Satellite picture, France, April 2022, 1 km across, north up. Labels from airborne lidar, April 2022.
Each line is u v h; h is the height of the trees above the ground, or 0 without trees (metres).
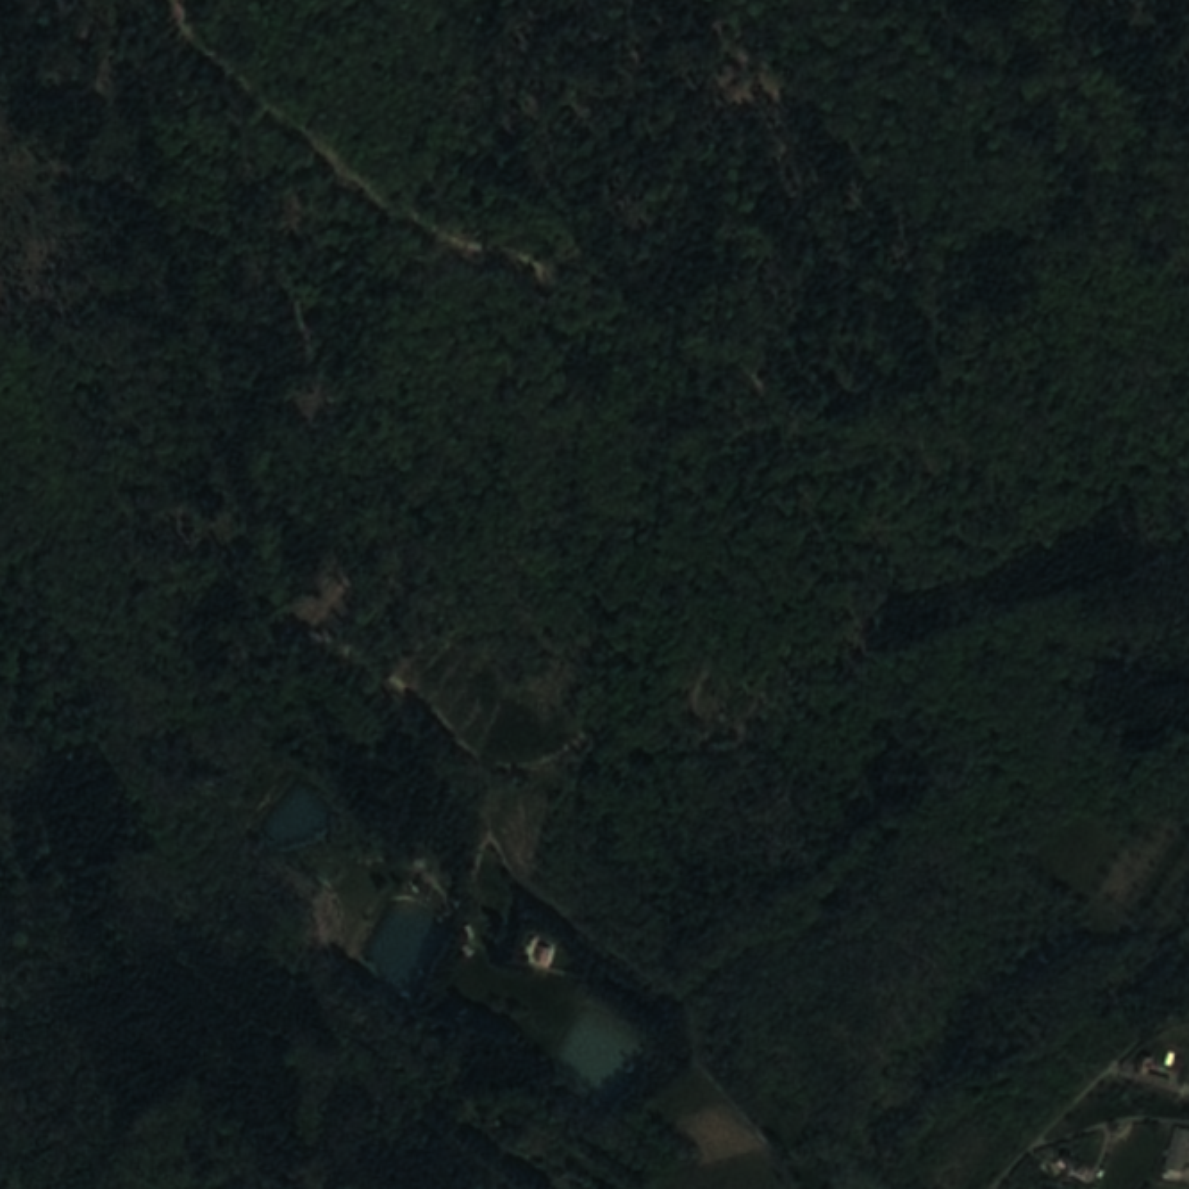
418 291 22
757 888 21
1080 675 21
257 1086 27
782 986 26
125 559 23
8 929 25
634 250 23
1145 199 27
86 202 28
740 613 24
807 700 28
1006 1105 21
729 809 21
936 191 32
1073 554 24
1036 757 22
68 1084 20
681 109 24
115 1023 23
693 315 24
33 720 20
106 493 27
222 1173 25
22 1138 27
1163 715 15
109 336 32
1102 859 0
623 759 23
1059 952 24
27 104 25
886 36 28
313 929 27
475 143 26
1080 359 28
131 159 24
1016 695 22
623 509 27
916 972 28
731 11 26
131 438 33
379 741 20
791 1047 25
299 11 27
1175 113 29
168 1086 24
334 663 25
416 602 26
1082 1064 14
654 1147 27
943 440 25
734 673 20
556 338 28
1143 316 25
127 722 28
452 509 27
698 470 25
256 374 25
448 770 25
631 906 22
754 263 31
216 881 29
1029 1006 22
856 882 23
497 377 28
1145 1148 0
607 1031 0
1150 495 16
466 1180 28
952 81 28
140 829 23
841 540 30
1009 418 22
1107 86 29
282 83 23
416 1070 22
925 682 24
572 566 22
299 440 16
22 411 24
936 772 22
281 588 30
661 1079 24
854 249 28
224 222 25
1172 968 22
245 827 10
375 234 22
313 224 19
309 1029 30
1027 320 27
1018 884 19
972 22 26
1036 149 28
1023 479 21
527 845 0
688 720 26
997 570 20
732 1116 0
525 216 29
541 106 29
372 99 25
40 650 11
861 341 24
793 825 19
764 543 25
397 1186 29
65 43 15
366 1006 27
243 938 26
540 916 23
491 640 25
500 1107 18
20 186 8
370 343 19
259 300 25
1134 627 24
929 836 24
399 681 0
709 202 28
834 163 32
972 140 26
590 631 27
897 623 25
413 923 0
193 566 30
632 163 26
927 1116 22
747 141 27
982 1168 8
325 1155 24
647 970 24
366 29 25
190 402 24
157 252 22
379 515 23
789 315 22
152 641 23
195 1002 26
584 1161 12
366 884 0
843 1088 24
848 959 26
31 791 26
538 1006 0
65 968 21
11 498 24
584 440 25
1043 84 30
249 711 22
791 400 25
